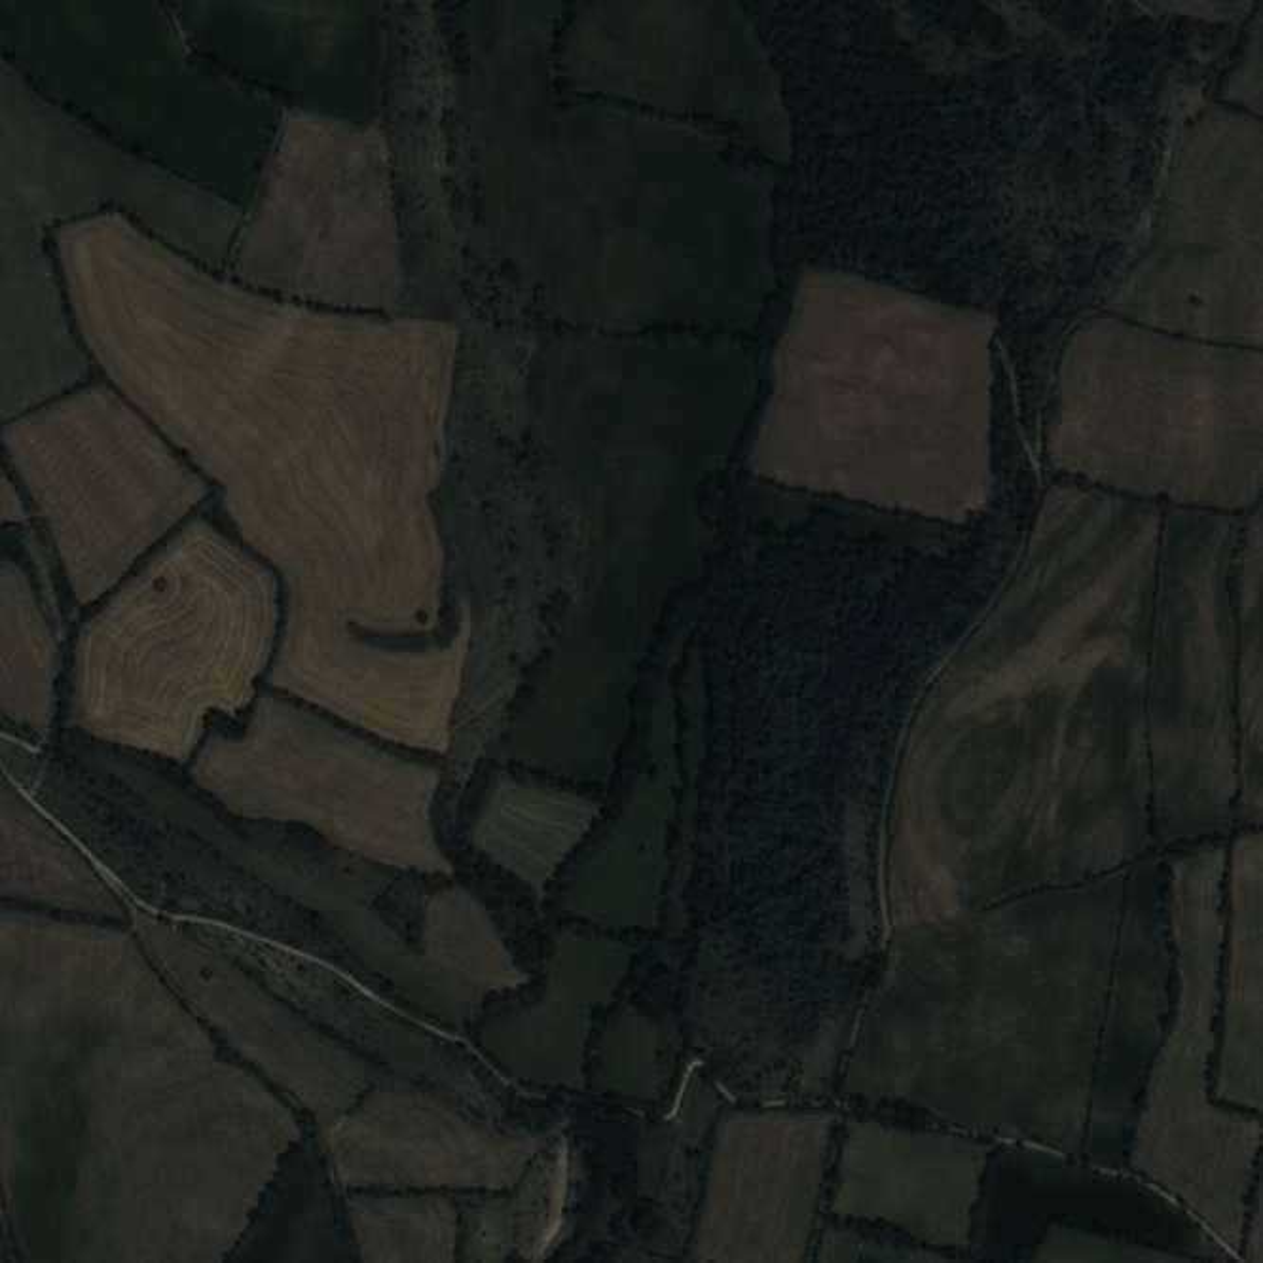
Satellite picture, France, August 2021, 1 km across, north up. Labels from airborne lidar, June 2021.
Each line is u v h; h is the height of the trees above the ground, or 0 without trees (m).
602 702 0
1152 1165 0
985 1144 7
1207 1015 0
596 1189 13
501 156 0
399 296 0
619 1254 12
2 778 0
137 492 0
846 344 0
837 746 12
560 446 0
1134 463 0
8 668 0
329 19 0
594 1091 8
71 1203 0
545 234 0
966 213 10
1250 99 0
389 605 0
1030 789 0
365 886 0
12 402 0
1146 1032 0
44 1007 0
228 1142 0
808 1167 0
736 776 10
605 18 0
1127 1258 0
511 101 0
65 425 0
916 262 7
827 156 13
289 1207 0
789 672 15
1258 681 0
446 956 0
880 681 11
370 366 0
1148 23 10
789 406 0
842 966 9
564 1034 0
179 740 0
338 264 0
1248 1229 8
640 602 0
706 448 0
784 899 8
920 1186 0
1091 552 0
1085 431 0
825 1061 0
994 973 0
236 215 0
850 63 8
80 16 0
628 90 0
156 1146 0
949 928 0
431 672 0
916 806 0
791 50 15
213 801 12
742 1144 0
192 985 0
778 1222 0
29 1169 0
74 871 0
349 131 0
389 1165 0
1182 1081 0
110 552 0
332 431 0
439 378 0
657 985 17
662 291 0
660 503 0
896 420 0
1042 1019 0
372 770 0
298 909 6
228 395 0
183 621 0
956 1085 0
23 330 0
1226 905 8
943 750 0
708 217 0
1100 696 0
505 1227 0
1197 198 0
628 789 18
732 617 21
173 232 0
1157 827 11
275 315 0
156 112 0
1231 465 0
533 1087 7
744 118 0
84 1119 0
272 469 0
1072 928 0
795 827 16
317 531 0
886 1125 13
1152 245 0
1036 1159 0
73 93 0
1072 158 12
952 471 0
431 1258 0
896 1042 0
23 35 0
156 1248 0
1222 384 0
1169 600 0
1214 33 7
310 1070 0
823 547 15
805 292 0
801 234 16
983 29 10
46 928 0
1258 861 0
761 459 0
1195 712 0
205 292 0
